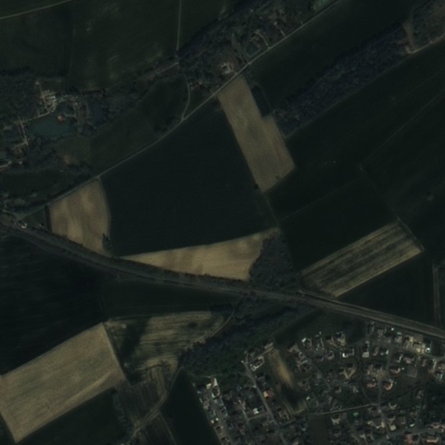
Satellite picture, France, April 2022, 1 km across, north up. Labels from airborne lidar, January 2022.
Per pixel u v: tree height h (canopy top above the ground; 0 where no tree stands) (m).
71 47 0
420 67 0
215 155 0
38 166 22
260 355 0
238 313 12
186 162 0
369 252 0
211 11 0
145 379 0
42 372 0
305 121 21
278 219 0
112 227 0
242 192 0
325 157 0
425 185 0
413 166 0
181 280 0
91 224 0
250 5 22
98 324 0
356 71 12
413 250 0
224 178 0
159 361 0
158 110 0
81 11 0
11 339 0
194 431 0
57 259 0
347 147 0
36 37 0
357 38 0
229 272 0
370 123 0
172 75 19
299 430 9
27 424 0
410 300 0
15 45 0
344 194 0
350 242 0
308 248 0
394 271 0
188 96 7
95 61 0
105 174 0
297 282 12
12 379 0
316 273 0
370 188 0
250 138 0
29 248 0
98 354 0
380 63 16
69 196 0
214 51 20
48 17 0
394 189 0
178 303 0
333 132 0
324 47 0
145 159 0
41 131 0
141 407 0
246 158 0
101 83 0
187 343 0
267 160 0
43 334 0
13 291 0
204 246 0
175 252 0
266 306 15
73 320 0
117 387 0
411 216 0
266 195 0
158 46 0
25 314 0
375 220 0
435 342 0
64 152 0
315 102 24
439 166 0
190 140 0
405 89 0
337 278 0
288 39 0
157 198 0
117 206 0
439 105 0
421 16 11
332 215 0
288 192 0
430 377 0
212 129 0
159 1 0
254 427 0
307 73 0
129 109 11
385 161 0
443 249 0
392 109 0
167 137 0
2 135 7
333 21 0
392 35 15
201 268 0
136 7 0
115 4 0
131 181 0
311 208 0
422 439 0
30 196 6
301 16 0
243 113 0
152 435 0
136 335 0
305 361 0
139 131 0
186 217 0
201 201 0
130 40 0
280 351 0
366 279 0
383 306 0
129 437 15
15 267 0
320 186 0
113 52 0
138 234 0
